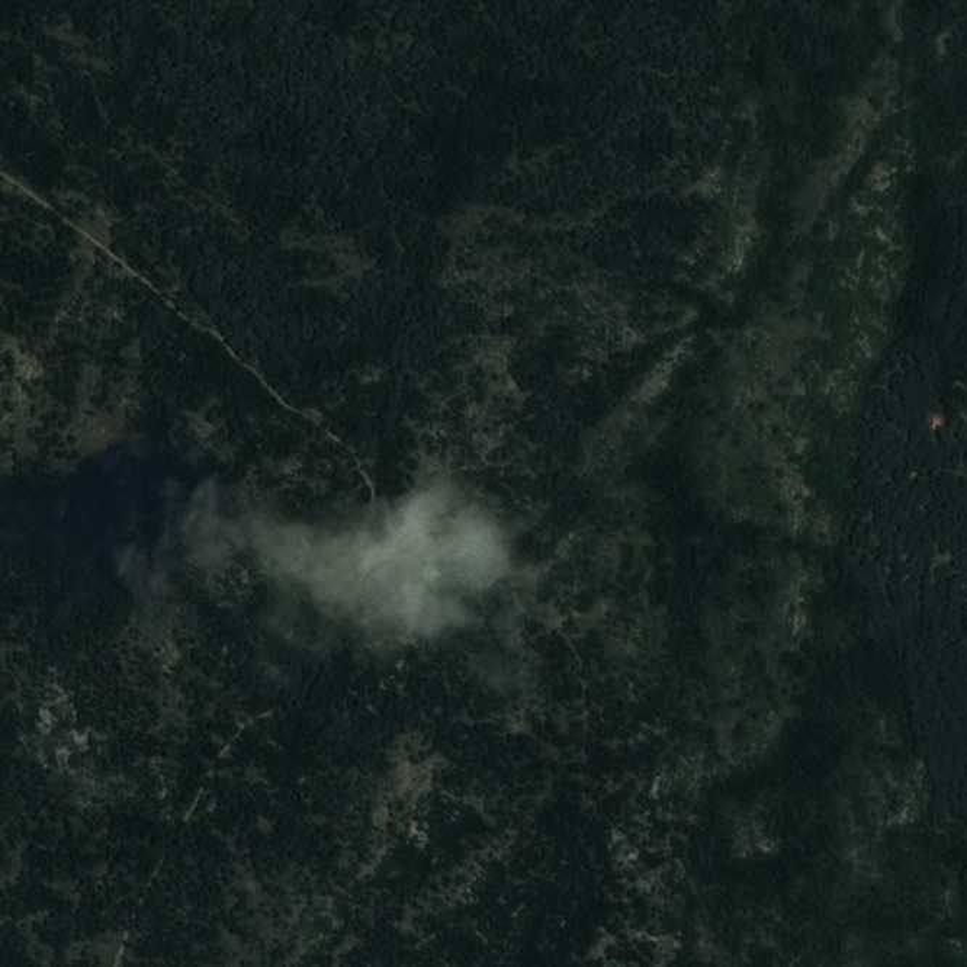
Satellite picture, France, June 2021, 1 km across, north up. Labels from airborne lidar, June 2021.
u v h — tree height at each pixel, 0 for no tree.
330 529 10
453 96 8
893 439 9
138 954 7
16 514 9
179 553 8
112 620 10
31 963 11
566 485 6
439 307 7
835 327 7
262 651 14
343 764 10
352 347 10
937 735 13
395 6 14
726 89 7
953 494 18
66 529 9
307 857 9
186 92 14
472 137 14
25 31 10
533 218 9
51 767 8
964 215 14
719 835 8
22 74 15
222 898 9
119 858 15
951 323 16
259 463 6
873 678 11
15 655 8
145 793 9
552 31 11
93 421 0
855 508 16
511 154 8
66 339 6
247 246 10
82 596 16
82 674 11
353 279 9
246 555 7
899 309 17
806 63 12
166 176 7
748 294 8
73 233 9
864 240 10
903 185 12
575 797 6
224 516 9
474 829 6
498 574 9
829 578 9
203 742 6
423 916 7
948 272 13
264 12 15
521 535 8
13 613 7
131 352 0
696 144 14
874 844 11
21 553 9
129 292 8
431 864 8
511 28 10
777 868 8
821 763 7
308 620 6
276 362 10
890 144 6
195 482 7
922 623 10
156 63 14
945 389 14
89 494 8
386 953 9
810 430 8
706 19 9
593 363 8
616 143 9
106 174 9
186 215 11
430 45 13
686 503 9
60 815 13
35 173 12
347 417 8
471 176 10
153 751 11
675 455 8
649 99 9
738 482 0
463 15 11
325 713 11
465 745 10
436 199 13
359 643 9
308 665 12
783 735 6
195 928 8
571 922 10
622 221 8
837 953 6
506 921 6
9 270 13
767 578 7
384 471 9
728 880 7
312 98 14
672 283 10
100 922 12
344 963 5
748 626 9
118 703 8
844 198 11
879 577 15
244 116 15
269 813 11
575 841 9
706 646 7
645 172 6
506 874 8
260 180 12
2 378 6
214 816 7
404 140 9
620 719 7
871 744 8
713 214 6
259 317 15
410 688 12
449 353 6
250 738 13
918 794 6
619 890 7
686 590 10
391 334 14
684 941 7
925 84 16
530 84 15
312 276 11
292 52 13
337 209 14
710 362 9
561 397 8
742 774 6
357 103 7
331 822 6
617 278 6
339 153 13
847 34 8
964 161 10
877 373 18
